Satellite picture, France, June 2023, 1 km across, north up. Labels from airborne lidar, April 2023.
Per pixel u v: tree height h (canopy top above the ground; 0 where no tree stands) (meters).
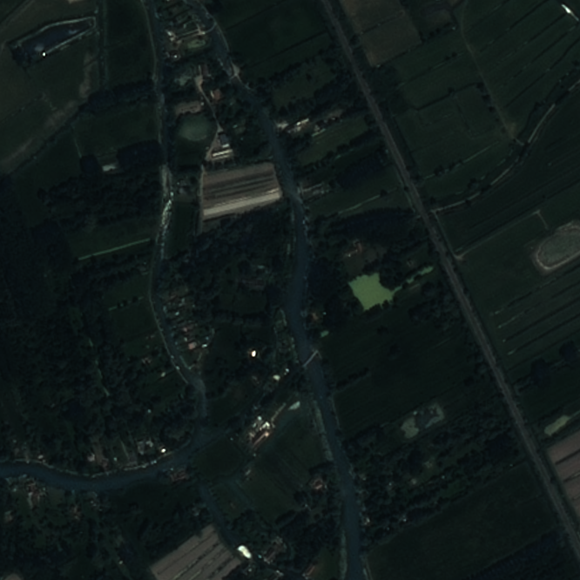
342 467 0
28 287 28
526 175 0
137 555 32
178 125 8
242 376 16
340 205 0
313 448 0
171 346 0
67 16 0
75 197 8
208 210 0
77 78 0
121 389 26
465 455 0
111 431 25
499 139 0
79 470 16
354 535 0
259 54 0
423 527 0
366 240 6
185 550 0
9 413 0
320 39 0
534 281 0
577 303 0
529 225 0
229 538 0
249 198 0
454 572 0
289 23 0
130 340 0
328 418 0
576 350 29
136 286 0
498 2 0
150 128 0
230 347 0
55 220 6
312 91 0
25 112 0
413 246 12
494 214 0
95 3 0
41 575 36
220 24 0
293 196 0
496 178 0
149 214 20
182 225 0
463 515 0
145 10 0
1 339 32
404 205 0
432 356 0
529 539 0
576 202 0
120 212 8
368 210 0
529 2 0
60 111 0
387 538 13
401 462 14
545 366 25
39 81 0
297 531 17
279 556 6
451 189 0
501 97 0
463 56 0
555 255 0
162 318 0
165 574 0
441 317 12
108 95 14
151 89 18
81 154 0
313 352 0
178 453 0
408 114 0
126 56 0
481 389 0
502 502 0
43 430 0
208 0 12
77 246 0
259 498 0
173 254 0
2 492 20
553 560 21
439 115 0
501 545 0
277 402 0
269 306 11
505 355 0
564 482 0
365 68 8
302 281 0
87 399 24
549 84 0
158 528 11
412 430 0
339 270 8
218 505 0
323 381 0
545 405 0
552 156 0
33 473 0
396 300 10
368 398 0
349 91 27
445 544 0
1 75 0
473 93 0
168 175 0
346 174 0
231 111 14
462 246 0
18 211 30
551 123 0
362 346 0
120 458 0
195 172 11
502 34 0
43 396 0
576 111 0
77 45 0
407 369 0
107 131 0
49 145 0
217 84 11
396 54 0
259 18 0
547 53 0
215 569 0
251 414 12
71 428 0
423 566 0
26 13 0
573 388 0
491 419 19
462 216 0
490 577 25
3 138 0
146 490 0
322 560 0
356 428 0
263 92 21
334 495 16
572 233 0
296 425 0
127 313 0
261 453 0
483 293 0
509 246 0
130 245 0
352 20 0
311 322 12
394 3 0
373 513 12
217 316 17
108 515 14
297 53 0
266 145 17
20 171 0
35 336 9
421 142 0
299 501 19
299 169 16
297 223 0
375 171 32
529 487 0
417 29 0
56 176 0
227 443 0
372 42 0
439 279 0
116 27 0
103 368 16
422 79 0
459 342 0
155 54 0
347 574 0
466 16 0
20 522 13
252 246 15
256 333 0
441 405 0
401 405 0
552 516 0
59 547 0
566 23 0
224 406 0
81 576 0
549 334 0
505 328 0
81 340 9
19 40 0
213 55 6
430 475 0
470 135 0
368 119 10
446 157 0
